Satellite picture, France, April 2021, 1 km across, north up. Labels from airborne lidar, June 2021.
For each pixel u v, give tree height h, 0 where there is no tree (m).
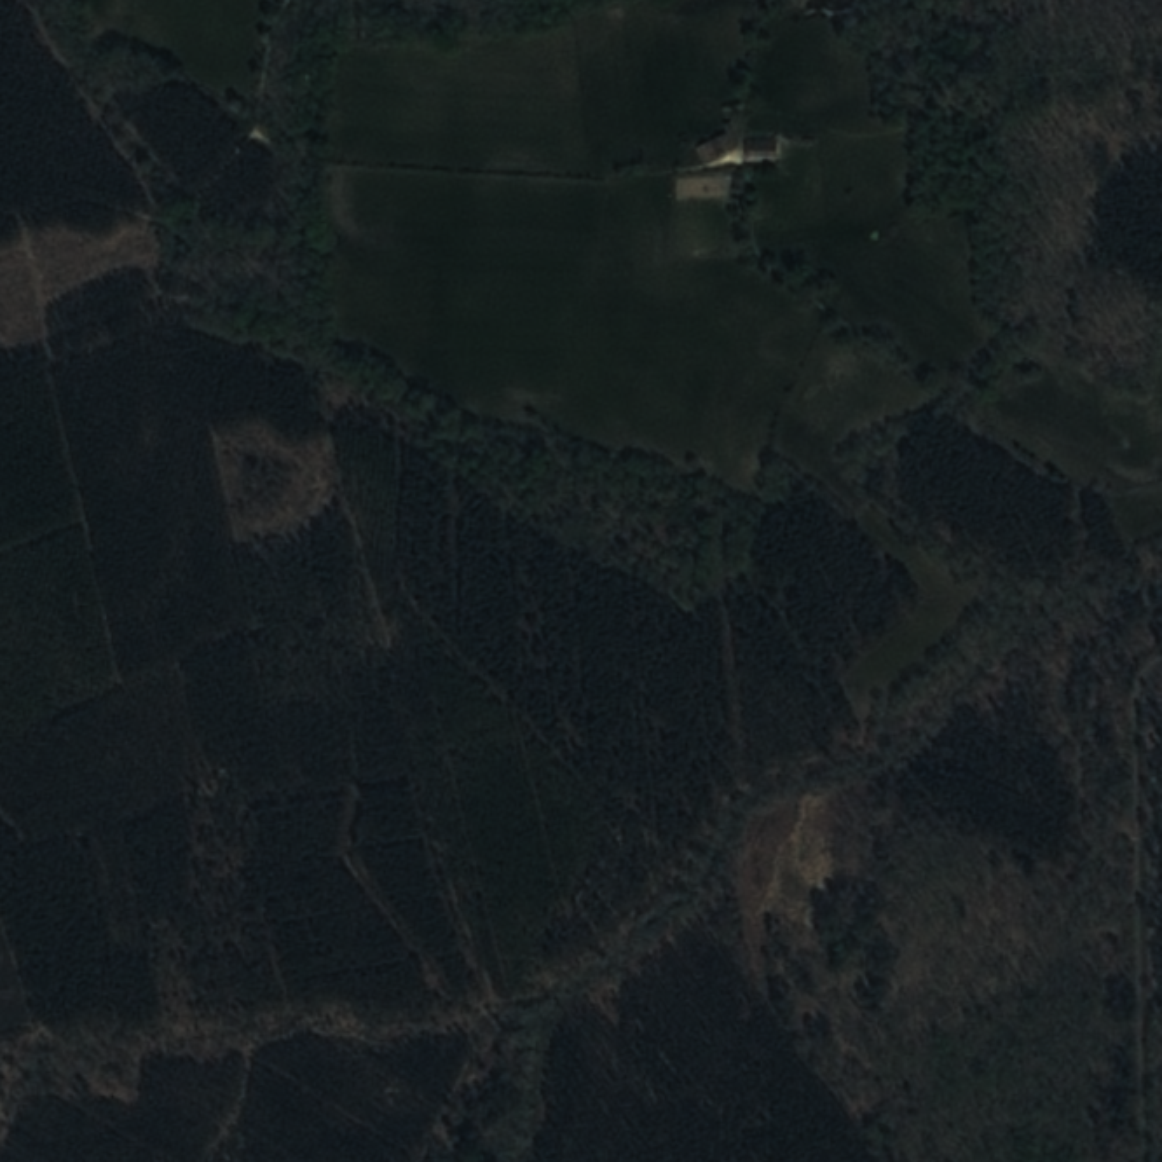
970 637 21
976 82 23
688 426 0
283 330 23
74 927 15
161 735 11
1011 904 15
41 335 0
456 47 16
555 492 14
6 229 15
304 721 18
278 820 18
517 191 0
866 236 0
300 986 17
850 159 0
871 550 16
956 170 22
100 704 9
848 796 17
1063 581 18
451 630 16
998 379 21
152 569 10
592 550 8
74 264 0
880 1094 13
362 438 12
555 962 15
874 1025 16
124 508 12
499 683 19
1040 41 20
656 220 0
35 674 8
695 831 19
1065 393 0
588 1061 13
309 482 0
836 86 0
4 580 8
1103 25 21
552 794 9
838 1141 14
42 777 10
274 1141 11
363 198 0
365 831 18
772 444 8
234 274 16
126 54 22
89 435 11
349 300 0
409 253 0
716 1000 12
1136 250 21
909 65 18
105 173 15
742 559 24
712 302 0
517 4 15
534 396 0
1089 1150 15
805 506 17
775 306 0
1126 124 18
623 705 16
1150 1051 16
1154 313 17
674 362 0
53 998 16
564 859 12
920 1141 13
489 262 0
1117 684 13
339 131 0
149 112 13
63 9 23
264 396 12
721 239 0
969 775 16
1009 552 19
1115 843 15
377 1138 10
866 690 0
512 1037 18
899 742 8
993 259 20
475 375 0
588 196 0
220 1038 9
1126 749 11
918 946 14
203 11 0
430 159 0
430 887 17
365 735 15
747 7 0
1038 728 17
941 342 0
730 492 8
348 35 22
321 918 18
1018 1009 19
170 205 22
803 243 0
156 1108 10
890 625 17
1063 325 17
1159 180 21
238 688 18
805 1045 13
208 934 20
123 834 11
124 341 12
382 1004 17
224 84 0
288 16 15
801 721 18
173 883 18
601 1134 11
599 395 0
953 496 21
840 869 12
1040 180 18
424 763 9
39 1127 9
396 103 0
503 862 13
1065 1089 17
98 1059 15
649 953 0
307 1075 11
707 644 18
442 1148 15
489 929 12
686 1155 11
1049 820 16
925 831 18
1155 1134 13
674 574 14
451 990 9
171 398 12
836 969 21
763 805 17
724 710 17
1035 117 21
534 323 0
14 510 10
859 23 23
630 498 9
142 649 12
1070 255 14
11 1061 6
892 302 0
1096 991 12
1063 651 9
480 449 16
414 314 0
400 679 12
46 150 13
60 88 16
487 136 0
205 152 12
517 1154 11
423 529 17
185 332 11
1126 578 16
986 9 23
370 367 24
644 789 18
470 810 12
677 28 0
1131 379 18
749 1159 12
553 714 16
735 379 0
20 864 18
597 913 17
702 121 0
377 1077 9
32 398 10
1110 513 18
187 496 8
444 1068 10
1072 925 15
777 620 17
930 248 0
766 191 0
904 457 19
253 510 7
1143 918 13
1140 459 0
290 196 17
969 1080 15
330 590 18
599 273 0
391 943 20
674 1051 11
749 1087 10
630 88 0
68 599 12
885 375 0
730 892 15
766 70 0
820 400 0
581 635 17
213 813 17
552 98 0
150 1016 18
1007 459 18
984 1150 14
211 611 12
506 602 18
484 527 15
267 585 19
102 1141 10
